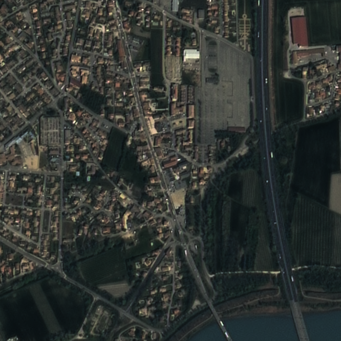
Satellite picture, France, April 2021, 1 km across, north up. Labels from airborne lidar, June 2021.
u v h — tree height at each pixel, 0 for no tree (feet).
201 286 0
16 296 0
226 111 0
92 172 0
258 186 0
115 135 0
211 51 0
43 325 0
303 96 0
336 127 0
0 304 0
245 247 36
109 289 0
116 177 24
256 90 0
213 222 34
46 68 39
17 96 0
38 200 0
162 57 0
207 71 0
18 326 0
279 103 0
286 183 33
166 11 0
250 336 0
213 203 55
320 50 0
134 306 23
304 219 19
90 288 49
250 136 32
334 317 0
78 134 0
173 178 0
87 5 0
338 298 0
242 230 0
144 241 0
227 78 0
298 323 0
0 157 0
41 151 0
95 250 87
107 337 56
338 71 0
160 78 0
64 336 58
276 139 78
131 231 0
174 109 0
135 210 0
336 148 0
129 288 0
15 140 0
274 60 0
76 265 83
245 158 20
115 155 0
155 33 0
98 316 0
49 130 0
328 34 0
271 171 0
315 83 0
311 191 0
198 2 0
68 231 0
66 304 0
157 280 27
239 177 0
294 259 36
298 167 0
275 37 0
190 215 64
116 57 30
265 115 0
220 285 68
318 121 22
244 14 0
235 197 0
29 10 0
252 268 24
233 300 0
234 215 0
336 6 0
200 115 45
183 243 0
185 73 0
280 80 0
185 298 24
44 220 0
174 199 0
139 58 0
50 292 0
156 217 0
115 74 0
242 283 42
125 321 0
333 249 20
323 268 81
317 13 0
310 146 0
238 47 0
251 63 0
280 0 0
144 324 0
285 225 21
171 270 0
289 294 0
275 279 67
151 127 29
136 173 0
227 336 0
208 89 0
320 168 0
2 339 0
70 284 52
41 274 43
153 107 0
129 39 0
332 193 0
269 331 0
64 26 0
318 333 0
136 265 0
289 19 0
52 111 32
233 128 0
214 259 24
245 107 0
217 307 0
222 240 27
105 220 0
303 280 24
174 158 0
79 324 0
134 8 20
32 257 0
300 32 0
